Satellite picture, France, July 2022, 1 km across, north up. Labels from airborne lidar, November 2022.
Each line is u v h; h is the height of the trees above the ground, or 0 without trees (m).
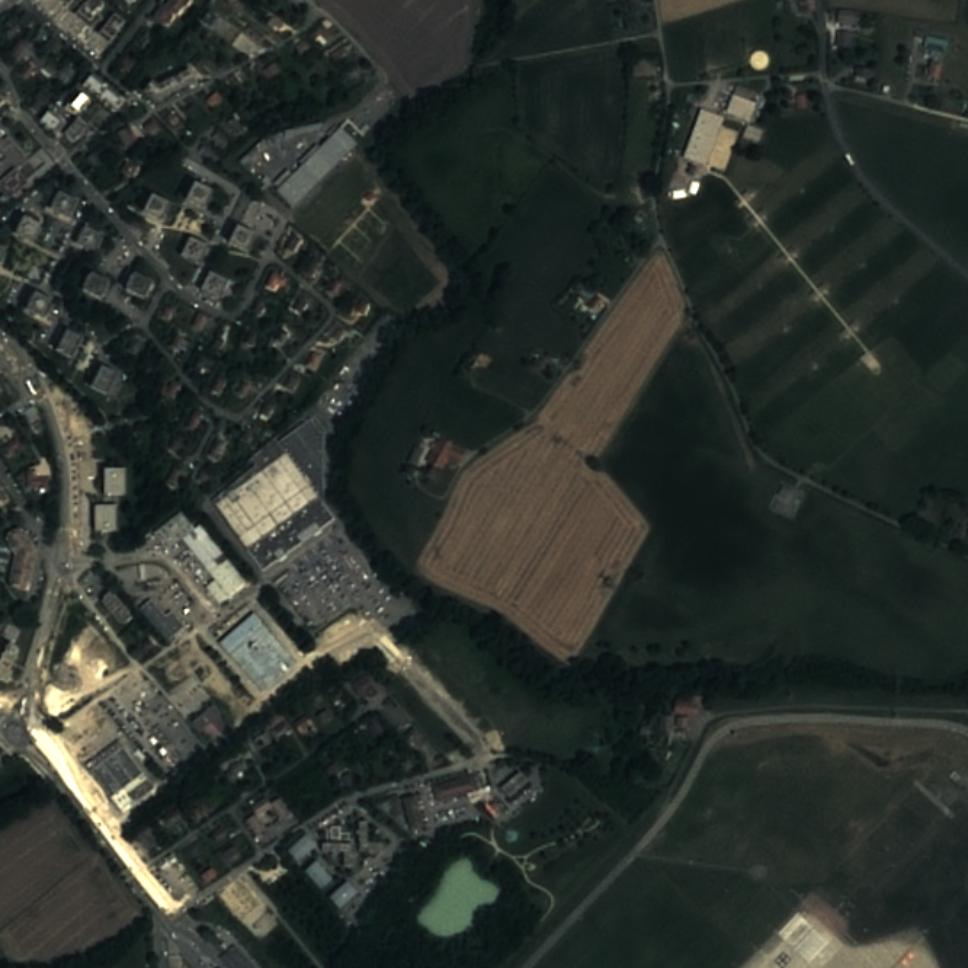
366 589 0
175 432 6
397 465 0
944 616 0
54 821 0
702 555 0
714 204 0
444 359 0
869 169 0
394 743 12
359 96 0
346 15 0
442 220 6
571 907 0
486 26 7
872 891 0
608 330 0
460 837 13
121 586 18
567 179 0
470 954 15
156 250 0
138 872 0
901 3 0
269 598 19
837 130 0
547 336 0
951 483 0
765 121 10
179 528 0
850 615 0
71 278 22
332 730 0
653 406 0
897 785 0
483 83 12
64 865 0
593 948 0
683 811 0
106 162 11
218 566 0
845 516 0
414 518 0
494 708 0
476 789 0
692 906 0
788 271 0
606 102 0
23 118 0
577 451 0
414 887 11
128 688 0
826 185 0
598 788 6
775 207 0
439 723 0
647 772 14
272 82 6
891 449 0
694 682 15
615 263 0
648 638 0
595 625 0
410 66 0
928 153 0
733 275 0
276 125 18
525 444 0
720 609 0
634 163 0
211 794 7
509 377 0
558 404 0
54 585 0
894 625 0
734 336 0
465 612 22
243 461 7
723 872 0
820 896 0
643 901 0
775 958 0
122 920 0
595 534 0
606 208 8
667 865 0
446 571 0
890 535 0
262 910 0
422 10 0
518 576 0
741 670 9
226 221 0
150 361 9
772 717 0
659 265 0
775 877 0
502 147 0
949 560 0
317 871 0
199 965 0
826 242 0
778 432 0
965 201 0
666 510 0
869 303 0
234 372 12
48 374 11
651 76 0
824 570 0
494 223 0
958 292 0
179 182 0
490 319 0
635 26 14
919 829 0
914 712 0
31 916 0
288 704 19
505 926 21
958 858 0
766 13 0
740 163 0
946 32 0
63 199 0
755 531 0
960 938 0
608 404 0
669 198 0
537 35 0
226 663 6
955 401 0
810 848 0
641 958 0
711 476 0
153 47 10
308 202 0
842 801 0
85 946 0
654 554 0
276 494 0
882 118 0
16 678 0
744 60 0
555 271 0
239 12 0
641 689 26
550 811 0
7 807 17
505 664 15
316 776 0
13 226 10
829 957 0
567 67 0
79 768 0
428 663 0
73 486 0
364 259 0
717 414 0
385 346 21
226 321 5
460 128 0
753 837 0
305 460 0
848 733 0
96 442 10
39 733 0
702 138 0
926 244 0
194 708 0
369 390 23
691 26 0
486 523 0
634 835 0
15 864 0
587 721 0
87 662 0
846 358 0
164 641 11
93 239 0
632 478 0
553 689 15
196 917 11
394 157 21
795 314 0
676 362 0
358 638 0
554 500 0
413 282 0
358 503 12
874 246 0
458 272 22
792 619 0
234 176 9
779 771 0
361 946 22
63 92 5
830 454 0
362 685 0
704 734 0
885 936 0
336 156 0
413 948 19
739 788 0
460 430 0
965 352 0
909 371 0
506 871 13
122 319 13
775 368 0
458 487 0
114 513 0
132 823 9
